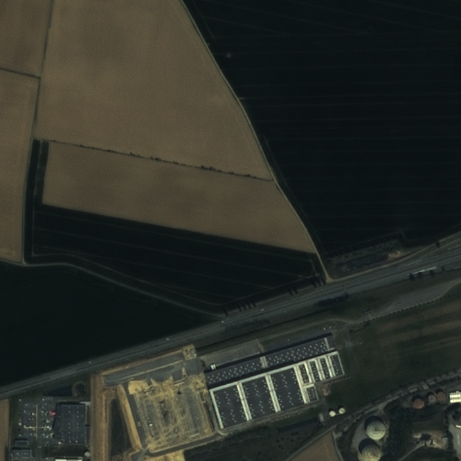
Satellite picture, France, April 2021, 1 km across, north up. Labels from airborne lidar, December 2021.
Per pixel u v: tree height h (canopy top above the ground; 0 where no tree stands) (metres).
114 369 0
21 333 0
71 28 0
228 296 0
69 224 0
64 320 0
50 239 0
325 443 0
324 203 0
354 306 0
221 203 0
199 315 0
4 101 0
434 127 0
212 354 0
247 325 13
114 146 0
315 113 0
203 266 0
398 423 6
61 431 0
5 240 0
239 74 0
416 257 0
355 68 0
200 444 0
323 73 0
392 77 0
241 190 0
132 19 0
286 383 0
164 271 0
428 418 0
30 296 0
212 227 0
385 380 0
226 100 0
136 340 0
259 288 0
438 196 0
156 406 0
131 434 0
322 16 0
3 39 0
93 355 0
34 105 0
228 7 0
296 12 0
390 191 0
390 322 0
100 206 0
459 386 0
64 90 0
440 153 0
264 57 0
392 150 0
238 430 0
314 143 0
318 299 0
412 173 0
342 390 0
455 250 0
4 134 0
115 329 0
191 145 0
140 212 0
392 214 0
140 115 0
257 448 0
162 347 0
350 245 0
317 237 0
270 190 0
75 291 0
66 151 0
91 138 0
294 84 0
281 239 0
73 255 0
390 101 0
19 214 0
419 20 0
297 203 0
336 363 0
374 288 0
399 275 0
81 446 0
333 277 0
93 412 0
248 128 0
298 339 0
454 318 0
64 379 0
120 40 0
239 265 0
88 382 0
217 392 0
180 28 0
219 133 0
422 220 0
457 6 0
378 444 0
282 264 0
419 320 0
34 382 0
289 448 0
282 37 0
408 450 0
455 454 14
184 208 0
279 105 0
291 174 0
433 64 0
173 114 0
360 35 0
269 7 0
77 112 0
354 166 0
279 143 0
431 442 0
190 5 0
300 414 0
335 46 0
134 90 0
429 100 0
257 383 0
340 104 0
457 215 0
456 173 0
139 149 0
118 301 0
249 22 0
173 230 0
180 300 0
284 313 0
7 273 0
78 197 0
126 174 0
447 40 0
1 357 0
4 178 0
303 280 0
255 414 0
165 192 0
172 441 0
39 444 0
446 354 0
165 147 0
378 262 0
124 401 0
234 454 0
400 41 0
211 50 0
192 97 0
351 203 0
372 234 0
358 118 0
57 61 0
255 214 0
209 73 0
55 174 0
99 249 0
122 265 0
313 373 0
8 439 0
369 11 0
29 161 0
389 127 0
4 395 0
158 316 0
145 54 0
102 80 0
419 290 0
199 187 0
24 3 0
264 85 0
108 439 0
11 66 0
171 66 0
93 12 0
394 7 0
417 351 0
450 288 0
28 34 0
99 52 0
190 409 0
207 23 0
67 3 0
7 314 0
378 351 0
